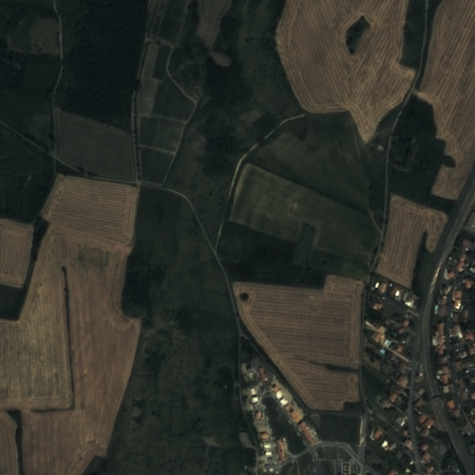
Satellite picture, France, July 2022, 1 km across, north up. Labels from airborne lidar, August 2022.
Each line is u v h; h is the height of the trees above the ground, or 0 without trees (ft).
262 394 0
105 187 0
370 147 0
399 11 0
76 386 0
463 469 41
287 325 0
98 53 32
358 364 0
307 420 0
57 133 0
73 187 0
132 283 35
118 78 36
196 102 0
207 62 27
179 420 0
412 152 23
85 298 0
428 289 0
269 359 23
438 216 0
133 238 0
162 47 0
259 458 0
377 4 0
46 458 0
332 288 0
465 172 0
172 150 0
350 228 0
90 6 26
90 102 28
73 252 0
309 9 0
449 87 0
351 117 0
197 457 0
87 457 0
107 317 0
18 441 27
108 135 0
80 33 28
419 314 0
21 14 37
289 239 0
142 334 0
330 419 0
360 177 0
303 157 0
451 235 0
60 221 0
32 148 30
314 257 0
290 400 0
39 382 0
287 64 0
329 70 0
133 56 33
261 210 0
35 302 0
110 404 0
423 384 0
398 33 0
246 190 0
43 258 0
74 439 0
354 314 0
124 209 0
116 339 0
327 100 0
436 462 0
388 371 0
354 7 0
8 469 0
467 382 22
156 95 0
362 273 0
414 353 0
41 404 0
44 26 0
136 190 0
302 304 0
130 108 27
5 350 0
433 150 23
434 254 0
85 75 39
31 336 0
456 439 0
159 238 0
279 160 0
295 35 0
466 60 0
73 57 36
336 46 0
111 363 0
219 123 22
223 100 34
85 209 0
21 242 0
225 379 22
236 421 0
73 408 0
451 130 0
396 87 0
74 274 0
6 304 0
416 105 22
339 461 0
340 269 0
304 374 0
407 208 0
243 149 24
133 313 0
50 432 0
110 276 0
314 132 0
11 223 0
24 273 0
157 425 0
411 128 24
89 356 0
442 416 0
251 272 26
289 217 0
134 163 0
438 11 0
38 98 0
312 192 0
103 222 0
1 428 0
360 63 0
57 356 0
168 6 0
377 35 0
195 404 0
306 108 0
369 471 0
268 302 0
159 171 0
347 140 0
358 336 0
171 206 0
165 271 20
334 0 0
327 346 0
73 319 0
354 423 0
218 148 31
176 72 0
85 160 0
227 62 0
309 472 0
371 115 0
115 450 0
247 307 0
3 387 0
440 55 0
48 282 0
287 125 0
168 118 0
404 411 19
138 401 20
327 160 0
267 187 0
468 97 0
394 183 18
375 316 0
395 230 0
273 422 0
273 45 29
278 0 26
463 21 0
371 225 0
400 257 0
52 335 0
